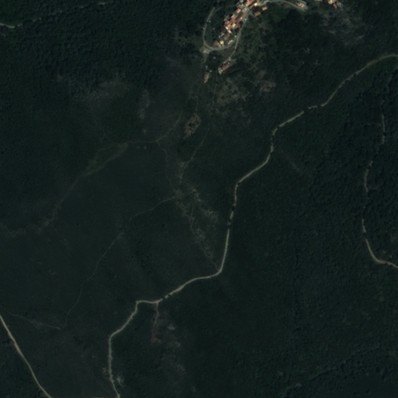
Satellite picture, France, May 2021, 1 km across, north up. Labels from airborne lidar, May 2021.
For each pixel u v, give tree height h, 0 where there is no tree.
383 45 10
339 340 15
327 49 10
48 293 0
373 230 14
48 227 0
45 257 0
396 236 11
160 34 10
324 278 7
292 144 15
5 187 7
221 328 7
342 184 8
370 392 13
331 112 13
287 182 14
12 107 8
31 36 10
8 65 6
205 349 7
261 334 6
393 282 11
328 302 8
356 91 13
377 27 12
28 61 7
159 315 0
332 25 7
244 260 6
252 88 9
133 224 7
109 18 15
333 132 20
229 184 16
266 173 7
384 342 16
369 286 11
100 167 0
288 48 14
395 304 11
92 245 0
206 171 7
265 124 11
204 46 0
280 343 6
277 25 10
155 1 15
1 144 7
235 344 11
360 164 18
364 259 10
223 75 6
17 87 7
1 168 6
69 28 11
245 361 14
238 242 7
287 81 12
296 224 29
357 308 8
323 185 11
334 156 15
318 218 13
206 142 8
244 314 6
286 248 17
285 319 14
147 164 0
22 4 7
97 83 7
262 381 13
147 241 7
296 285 25
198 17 7
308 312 13
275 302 9
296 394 20
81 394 0
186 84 0
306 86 17
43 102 8
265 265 8
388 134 20
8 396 9
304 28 16
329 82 12
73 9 12
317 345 8
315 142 13
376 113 22
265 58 6
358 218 13
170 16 14
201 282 7
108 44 11
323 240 11
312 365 9
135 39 10
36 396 10
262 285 7
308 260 13
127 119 6
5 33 7
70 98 8
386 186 18
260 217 10
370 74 9
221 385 6
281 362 17
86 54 15
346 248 14
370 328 9
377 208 19
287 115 8
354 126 19
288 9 7
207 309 5
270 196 11
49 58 14
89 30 17
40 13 12
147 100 0
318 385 15
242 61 7
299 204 23
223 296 7
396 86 16
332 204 20
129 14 9
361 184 12
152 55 8
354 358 19
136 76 12
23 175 6
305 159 14
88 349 12
